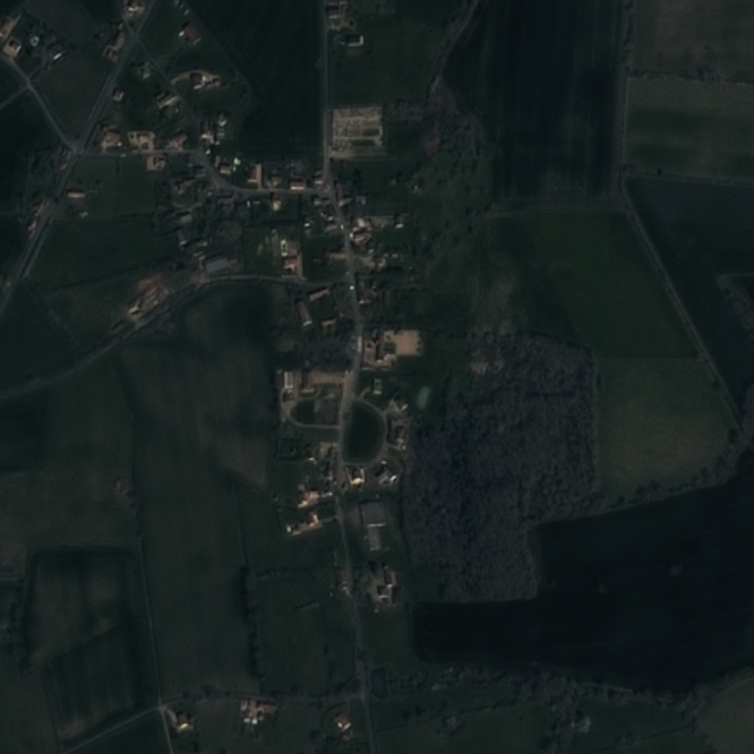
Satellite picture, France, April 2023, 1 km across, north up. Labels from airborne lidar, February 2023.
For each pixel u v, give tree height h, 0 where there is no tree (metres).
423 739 0
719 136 0
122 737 0
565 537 0
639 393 0
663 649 0
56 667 0
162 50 0
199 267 0
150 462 0
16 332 0
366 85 0
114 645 0
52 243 0
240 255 0
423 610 0
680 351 0
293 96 0
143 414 0
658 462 0
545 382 11
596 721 0
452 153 14
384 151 0
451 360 0
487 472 23
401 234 0
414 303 0
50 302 0
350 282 0
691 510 0
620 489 0
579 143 0
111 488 0
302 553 0
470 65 0
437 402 0
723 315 0
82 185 8
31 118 0
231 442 0
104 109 0
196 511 0
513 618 0
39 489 0
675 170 0
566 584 0
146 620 0
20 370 0
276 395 12
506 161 0
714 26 0
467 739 0
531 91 0
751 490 0
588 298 0
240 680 0
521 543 24
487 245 0
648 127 0
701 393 0
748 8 0
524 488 23
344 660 0
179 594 0
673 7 0
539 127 0
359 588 12
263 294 0
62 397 0
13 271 0
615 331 0
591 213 0
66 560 0
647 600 0
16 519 0
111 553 0
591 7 0
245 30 0
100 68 0
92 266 0
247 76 0
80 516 0
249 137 0
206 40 0
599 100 0
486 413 21
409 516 18
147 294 0
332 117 0
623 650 0
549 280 0
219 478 0
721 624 0
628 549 0
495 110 0
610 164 0
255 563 0
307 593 0
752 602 0
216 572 0
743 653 0
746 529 0
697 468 0
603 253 0
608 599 0
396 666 0
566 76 0
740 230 0
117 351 0
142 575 0
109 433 0
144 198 0
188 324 0
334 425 0
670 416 0
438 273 0
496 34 0
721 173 0
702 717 0
